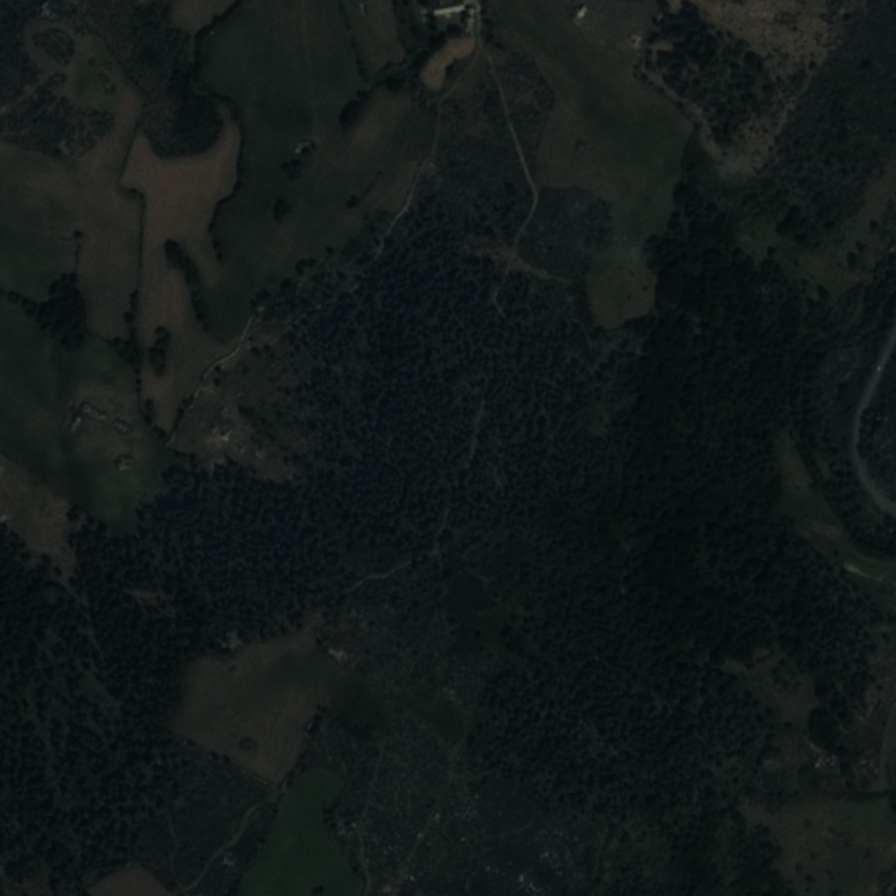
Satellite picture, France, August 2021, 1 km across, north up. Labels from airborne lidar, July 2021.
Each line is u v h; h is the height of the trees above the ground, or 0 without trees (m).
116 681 21
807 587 17
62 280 6
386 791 0
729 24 0
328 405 9
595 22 0
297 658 0
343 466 12
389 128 0
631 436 16
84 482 0
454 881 0
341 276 10
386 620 0
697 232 15
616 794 17
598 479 19
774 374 13
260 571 7
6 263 0
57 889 15
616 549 6
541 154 0
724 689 11
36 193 0
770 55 0
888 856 0
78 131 0
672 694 13
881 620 15
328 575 8
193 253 0
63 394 0
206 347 0
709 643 10
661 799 17
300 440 0
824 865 0
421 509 11
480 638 12
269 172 0
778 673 8
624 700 16
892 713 0
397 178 0
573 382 16
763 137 0
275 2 0
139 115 0
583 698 17
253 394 0
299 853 0
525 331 7
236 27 0
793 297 10
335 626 0
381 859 0
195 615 10
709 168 0
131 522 0
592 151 0
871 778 0
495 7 0
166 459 0
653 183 0
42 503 0
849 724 13
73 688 16
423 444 14
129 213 0
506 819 0
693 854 7
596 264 0
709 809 7
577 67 0
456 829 0
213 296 0
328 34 0
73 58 0
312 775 0
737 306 17
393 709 0
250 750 0
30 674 15
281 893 0
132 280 0
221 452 0
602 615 12
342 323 13
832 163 12
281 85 0
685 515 16
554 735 9
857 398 0
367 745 0
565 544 8
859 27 0
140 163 0
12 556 19
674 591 17
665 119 0
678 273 22
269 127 0
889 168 0
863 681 13
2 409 0
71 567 0
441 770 0
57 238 0
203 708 0
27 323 0
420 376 8
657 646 6
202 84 7
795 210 14
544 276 0
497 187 0
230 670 0
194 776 0
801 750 0
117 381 0
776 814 0
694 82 7
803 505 0
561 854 0
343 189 0
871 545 7
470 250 0
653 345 16
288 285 11
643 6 0
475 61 0
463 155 0
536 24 0
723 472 17
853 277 0
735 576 14
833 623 15
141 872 0
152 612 17
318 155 0
